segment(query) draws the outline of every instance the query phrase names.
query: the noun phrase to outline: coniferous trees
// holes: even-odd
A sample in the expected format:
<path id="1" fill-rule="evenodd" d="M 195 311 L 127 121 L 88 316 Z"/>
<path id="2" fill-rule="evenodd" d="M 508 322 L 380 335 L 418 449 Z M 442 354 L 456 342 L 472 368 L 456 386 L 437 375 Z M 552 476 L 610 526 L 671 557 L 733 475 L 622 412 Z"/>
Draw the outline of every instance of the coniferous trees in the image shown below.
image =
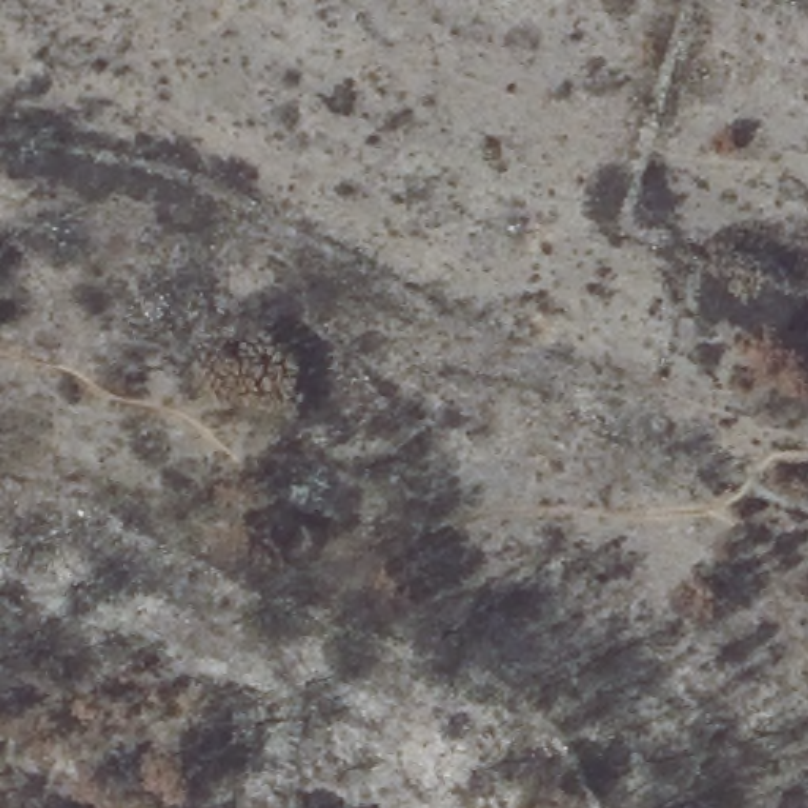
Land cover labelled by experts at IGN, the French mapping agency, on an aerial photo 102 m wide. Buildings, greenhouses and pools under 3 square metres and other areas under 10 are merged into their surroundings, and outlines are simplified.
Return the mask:
<path id="1" fill-rule="evenodd" d="M 357 808 L 344 805 L 331 792 L 300 789 L 300 808 Z"/>
<path id="2" fill-rule="evenodd" d="M 675 609 L 672 622 L 682 625 L 682 634 L 713 631 L 726 619 L 726 597 L 716 597 L 710 587 L 701 584 L 701 578 L 691 574 L 669 593 L 669 603 Z"/>
<path id="3" fill-rule="evenodd" d="M 120 780 L 110 770 L 95 767 L 95 776 L 82 802 L 60 795 L 57 802 L 38 805 L 0 795 L 0 808 L 202 808 L 205 799 L 211 799 L 211 792 L 199 786 L 196 761 L 189 751 L 180 751 L 180 745 L 148 754 L 136 780 Z"/>
<path id="4" fill-rule="evenodd" d="M 754 350 L 761 350 L 764 357 L 754 366 L 748 366 L 754 385 L 773 376 L 783 385 L 786 398 L 808 401 L 808 382 L 799 372 L 795 350 L 773 347 L 770 338 L 754 341 Z"/>

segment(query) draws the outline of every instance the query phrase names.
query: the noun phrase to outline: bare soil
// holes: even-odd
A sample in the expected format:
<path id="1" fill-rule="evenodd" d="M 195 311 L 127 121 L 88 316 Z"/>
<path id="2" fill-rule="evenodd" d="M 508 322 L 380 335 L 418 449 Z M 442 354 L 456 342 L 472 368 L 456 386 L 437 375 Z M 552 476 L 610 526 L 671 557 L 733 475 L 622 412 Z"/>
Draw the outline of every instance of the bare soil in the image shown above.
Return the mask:
<path id="1" fill-rule="evenodd" d="M 82 802 L 95 776 L 95 767 L 110 770 L 120 780 L 136 780 L 148 754 L 180 745 L 180 751 L 189 751 L 196 761 L 199 786 L 211 792 L 211 799 L 205 799 L 202 808 L 300 808 L 300 789 L 331 792 L 344 805 L 357 808 L 808 808 L 808 401 L 786 398 L 783 385 L 773 376 L 754 385 L 748 366 L 754 366 L 764 357 L 761 350 L 754 350 L 754 341 L 770 338 L 773 347 L 795 350 L 799 372 L 808 382 L 808 0 L 0 0 L 0 795 L 38 805 L 57 802 L 60 795 Z M 710 587 L 716 597 L 726 597 L 726 619 L 713 631 L 682 634 L 682 625 L 672 622 L 675 609 L 669 603 L 669 593 L 691 574 L 701 578 L 701 584 Z"/>

